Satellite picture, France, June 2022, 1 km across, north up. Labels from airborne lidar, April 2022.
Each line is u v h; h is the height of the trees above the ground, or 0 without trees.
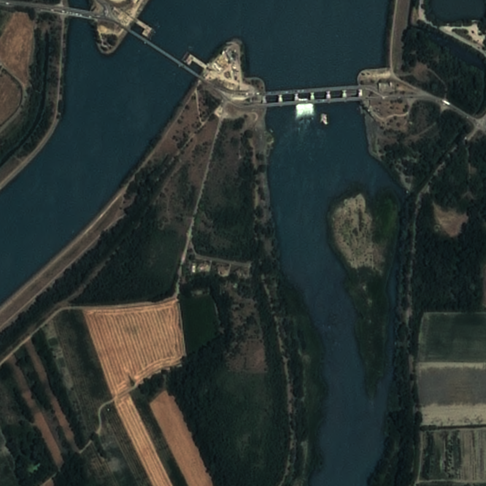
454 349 0
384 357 0
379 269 0
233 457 9
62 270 0
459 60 14
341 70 0
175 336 0
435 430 10
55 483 10
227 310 11
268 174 0
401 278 9
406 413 24
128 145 0
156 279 8
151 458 0
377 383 0
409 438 7
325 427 0
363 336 0
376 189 0
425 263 23
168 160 0
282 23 0
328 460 0
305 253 0
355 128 0
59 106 8
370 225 0
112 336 0
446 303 8
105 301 16
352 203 0
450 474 7
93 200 0
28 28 0
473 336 0
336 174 0
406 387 18
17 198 0
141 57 0
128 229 10
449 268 25
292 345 19
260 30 0
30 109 7
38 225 0
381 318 0
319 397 0
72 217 0
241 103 0
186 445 0
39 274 0
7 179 0
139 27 0
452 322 0
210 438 16
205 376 7
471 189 12
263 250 19
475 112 13
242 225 8
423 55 19
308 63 0
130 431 0
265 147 0
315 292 0
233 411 9
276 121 0
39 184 0
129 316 0
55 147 0
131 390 0
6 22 0
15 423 0
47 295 21
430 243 23
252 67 0
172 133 0
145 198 14
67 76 0
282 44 0
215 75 0
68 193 0
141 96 0
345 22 0
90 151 0
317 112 0
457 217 0
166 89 0
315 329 0
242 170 16
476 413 0
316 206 0
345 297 0
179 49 0
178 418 0
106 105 0
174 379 8
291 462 13
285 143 0
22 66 0
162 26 0
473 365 0
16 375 0
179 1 0
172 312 0
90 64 0
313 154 0
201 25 0
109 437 0
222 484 18
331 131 0
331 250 0
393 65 0
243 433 6
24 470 24
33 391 20
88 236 0
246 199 14
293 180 0
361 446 0
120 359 0
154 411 0
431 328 0
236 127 9
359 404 0
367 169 0
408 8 0
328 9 0
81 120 0
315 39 0
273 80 0
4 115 0
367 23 0
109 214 0
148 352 0
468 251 27
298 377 16
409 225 19
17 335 20
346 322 0
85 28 0
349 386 0
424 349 0
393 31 0
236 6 0
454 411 0
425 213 15
